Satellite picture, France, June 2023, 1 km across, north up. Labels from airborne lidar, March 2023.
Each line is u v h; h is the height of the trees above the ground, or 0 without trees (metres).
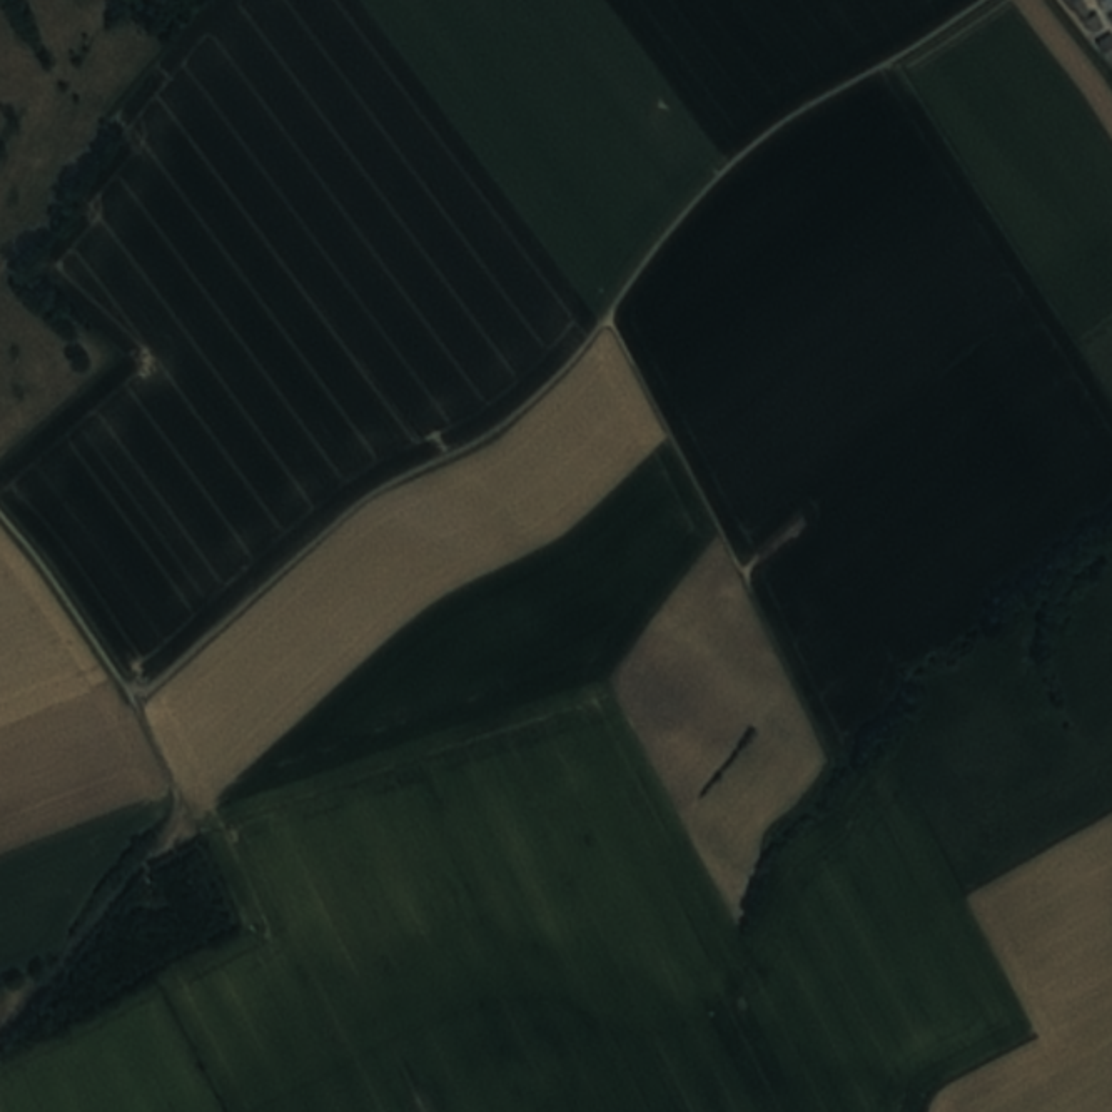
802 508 0
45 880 0
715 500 0
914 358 0
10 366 0
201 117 0
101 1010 11
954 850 0
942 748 0
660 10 0
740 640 0
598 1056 0
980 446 0
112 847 0
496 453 0
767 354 0
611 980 0
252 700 0
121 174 0
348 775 0
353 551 0
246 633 0
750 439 0
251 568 0
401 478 0
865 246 0
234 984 0
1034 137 0
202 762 0
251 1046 0
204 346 0
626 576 0
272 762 0
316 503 0
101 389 0
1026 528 0
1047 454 0
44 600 0
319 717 0
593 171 0
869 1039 0
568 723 0
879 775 0
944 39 0
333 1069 0
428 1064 0
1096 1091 0
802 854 0
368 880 0
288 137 0
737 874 0
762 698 0
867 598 0
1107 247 0
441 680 0
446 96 0
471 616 0
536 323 0
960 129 0
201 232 0
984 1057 0
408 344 0
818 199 0
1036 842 0
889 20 0
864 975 0
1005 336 0
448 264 0
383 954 0
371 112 0
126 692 0
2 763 0
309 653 0
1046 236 0
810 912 0
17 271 22
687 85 0
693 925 0
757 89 0
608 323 0
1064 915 0
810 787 0
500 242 0
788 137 0
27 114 0
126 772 0
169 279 0
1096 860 0
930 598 0
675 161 0
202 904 9
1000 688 0
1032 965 0
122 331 0
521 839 0
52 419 0
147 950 10
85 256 0
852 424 0
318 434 0
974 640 9
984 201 0
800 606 0
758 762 0
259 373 0
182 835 0
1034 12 0
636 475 0
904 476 0
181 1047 0
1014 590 18
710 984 0
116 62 0
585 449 0
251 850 0
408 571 0
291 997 0
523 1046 0
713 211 0
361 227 0
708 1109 0
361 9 0
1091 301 0
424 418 0
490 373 0
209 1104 0
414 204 0
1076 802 0
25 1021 13
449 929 0
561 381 0
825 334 0
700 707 0
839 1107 0
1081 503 0
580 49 0
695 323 0
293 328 0
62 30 0
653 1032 0
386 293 0
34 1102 0
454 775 0
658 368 0
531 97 0
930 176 0
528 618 0
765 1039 0
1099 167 0
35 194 0
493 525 0
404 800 0
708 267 0
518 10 0
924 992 0
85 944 7
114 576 0
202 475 0
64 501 0
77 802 0
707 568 0
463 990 0
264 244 0
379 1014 0
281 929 0
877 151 0
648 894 0
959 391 0
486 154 0
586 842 0
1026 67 0
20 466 0
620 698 0
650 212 0
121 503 0
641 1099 0
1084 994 0
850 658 0
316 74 0
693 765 0
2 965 0
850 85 0
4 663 0
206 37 0
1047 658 23
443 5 0
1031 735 0
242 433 0
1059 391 0
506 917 0
